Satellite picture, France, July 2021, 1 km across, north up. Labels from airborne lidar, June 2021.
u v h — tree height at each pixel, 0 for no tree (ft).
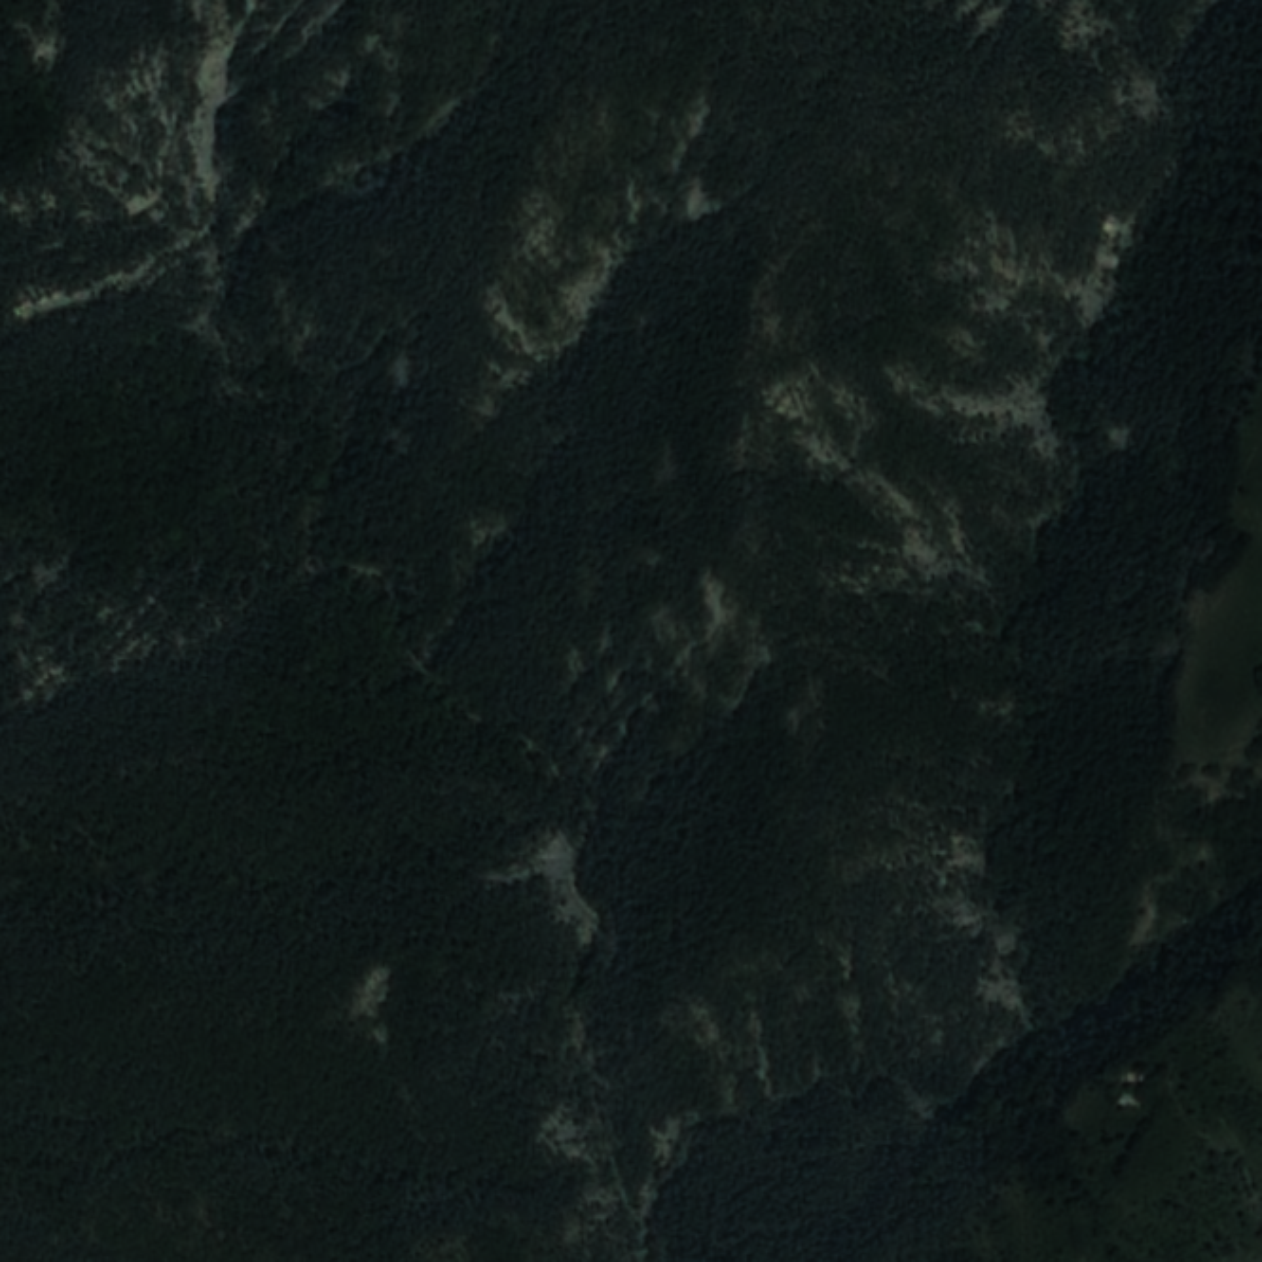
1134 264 48
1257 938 51
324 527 52
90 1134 25
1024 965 32
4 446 37
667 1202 45
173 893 33
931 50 26
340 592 45
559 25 34
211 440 55
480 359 21
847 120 30
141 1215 20
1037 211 22
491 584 30
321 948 36
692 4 26
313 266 31
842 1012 25
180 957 34
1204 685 0
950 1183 57
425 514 20
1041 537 55
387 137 18
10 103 53
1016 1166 42
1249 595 0
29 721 48
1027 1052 62
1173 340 47
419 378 25
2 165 36
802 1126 41
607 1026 31
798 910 19
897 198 26
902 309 28
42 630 45
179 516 53
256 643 36
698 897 22
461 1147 27
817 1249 21
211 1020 25
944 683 31
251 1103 27
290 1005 36
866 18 34
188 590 31
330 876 48
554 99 23
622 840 44
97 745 45
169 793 31
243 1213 24
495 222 22
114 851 45
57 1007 32
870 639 20
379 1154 58
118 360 43
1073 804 63
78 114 18
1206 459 40
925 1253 32
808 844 19
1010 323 24
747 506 30
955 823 26
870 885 30
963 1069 32
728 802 33
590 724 27
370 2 22
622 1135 33
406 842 72
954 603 22
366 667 78
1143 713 46
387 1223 22
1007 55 39
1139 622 31
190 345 54
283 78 18
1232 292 41
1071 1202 35
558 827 23
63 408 61
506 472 27
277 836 37
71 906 30
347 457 19
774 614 19
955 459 22
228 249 22
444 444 25
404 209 26
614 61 27
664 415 25
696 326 25
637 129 22
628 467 22
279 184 53
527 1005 42
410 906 46
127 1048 29
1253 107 56
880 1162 34
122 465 43
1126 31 33
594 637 19
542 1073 52
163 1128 28
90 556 42
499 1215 30
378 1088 29
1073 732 47
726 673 20
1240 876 51
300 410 58
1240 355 31
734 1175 20
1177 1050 22
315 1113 29
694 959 25
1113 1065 50
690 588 25
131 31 20
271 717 58
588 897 46
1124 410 36
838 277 22
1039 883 29
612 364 23
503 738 41
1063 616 39
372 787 50
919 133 26
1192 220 73
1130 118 22
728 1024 22
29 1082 28
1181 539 23
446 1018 40
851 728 25
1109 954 25
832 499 29
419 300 31
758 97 21
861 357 30
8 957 40
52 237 21
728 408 21
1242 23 50
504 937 36
